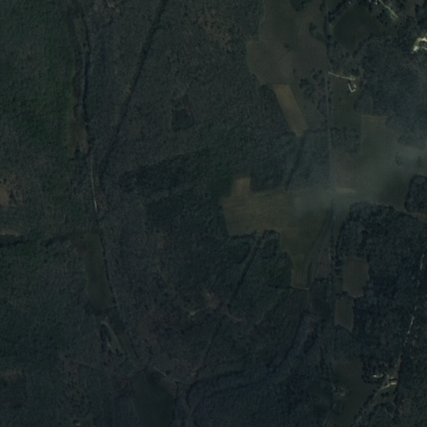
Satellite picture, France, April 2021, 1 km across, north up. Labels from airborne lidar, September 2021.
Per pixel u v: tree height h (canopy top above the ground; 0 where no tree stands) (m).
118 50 13
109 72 13
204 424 14
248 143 20
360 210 13
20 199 12
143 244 16
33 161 16
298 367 14
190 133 16
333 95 8
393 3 15
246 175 17
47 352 12
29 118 17
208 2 15
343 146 20
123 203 16
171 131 11
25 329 15
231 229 0
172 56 16
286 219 0
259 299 15
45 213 19
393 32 0
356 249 17
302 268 0
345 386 0
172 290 7
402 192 0
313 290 16
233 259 7
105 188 13
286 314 12
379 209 10
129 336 15
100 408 17
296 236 0
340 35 0
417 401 15
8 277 16
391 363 13
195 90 15
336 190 0
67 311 16
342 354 20
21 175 17
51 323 14
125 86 15
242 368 18
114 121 15
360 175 0
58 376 16
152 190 7
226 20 13
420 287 7
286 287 8
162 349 13
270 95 8
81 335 19
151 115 10
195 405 14
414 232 15
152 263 11
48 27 22
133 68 17
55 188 18
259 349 15
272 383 20
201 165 12
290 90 0
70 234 6
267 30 0
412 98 15
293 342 10
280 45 0
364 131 0
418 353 13
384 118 0
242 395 15
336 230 0
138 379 0
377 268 21
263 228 0
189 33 16
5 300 13
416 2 0
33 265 20
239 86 20
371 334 10
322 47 0
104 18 8
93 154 14
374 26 0
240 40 16
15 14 18
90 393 17
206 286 8
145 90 15
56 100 15
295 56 0
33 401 19
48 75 17
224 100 16
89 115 19
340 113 0
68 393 13
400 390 14
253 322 15
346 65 18
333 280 5
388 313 8
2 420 22
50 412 17
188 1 13
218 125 22
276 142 19
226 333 15
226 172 16
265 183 16
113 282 17
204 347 14
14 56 14
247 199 0
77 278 21
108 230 16
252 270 17
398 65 25
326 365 17
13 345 15
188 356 14
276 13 0
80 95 10
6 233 16
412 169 0
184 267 8
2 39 19
